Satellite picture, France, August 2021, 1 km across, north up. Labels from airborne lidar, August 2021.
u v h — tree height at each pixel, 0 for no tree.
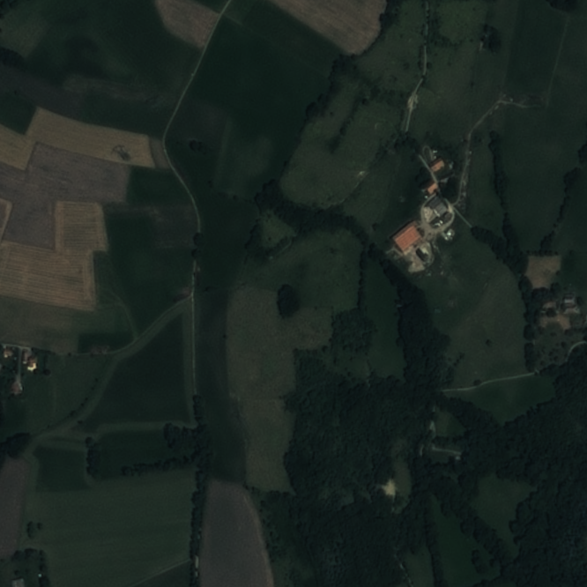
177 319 0
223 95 0
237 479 0
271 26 0
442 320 0
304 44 0
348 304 0
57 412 0
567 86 0
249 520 0
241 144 0
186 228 0
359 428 7
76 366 0
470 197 0
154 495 0
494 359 0
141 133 0
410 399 12
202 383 0
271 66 0
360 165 0
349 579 10
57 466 0
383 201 0
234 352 0
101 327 0
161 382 0
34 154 0
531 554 24
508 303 0
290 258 0
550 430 15
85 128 0
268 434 0
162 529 0
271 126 0
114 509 0
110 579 0
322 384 5
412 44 0
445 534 0
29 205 0
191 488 0
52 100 0
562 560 17
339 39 0
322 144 0
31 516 0
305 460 17
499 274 0
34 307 0
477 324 0
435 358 13
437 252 0
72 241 0
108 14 0
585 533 13
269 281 0
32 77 0
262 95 0
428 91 0
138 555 0
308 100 0
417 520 20
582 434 8
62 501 0
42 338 0
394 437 8
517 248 20
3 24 0
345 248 0
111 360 0
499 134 12
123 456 0
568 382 17
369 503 14
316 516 12
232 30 0
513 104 0
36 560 8
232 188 0
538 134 0
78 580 0
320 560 12
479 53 0
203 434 25
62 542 0
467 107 0
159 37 0
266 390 0
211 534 0
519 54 0
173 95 0
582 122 0
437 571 16
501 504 0
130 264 0
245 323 0
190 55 0
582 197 0
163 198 0
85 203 0
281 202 20
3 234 0
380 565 14
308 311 0
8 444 15
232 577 0
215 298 0
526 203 0
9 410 0
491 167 0
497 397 0
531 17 0
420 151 12
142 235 0
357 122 0
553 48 0
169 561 0
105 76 0
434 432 12
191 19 0
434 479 28
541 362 6
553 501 20
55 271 0
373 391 12
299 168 0
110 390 0
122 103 0
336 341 14
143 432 0
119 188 0
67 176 0
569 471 23
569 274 0
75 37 0
